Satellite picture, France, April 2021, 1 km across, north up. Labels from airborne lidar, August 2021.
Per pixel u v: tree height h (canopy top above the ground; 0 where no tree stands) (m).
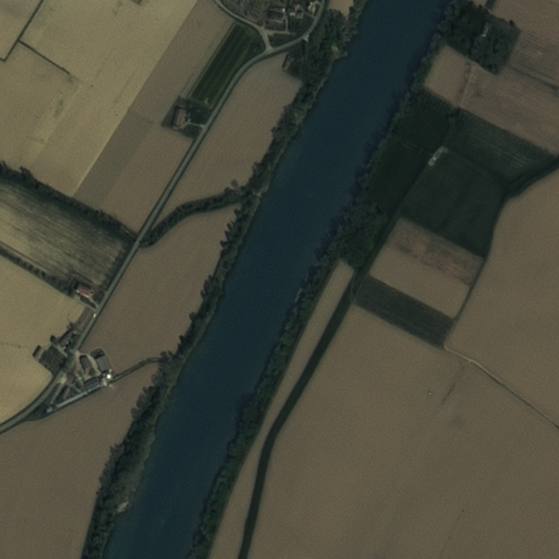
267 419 0
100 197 0
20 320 0
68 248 0
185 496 0
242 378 0
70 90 0
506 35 6
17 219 0
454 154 0
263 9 20
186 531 0
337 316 0
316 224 0
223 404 0
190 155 0
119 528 0
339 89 0
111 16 0
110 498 10
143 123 0
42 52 0
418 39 0
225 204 9
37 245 0
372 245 14
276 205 0
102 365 0
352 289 0
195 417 0
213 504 11
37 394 0
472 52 11
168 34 0
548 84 0
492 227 0
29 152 0
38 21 0
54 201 0
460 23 11
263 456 0
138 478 0
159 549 0
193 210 15
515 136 15
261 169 15
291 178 0
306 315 20
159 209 0
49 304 0
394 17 0
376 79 0
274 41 0
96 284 0
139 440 14
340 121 0
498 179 0
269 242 0
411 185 0
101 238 0
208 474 0
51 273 0
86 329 0
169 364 27
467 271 0
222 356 0
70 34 0
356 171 0
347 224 20
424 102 20
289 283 0
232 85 0
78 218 0
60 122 0
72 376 0
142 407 16
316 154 0
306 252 0
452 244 0
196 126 0
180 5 0
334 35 14
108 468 13
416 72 15
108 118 0
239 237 10
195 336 8
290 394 0
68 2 0
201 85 0
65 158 0
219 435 0
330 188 0
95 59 0
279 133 15
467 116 17
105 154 0
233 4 0
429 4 0
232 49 0
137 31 0
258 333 0
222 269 8
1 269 0
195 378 0
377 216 19
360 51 0
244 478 0
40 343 0
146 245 10
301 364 0
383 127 0
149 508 0
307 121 0
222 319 0
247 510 0
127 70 0
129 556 0
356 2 8
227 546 0
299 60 0
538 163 17
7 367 0
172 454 0
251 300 0
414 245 0
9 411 0
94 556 26
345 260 17
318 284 17
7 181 0
